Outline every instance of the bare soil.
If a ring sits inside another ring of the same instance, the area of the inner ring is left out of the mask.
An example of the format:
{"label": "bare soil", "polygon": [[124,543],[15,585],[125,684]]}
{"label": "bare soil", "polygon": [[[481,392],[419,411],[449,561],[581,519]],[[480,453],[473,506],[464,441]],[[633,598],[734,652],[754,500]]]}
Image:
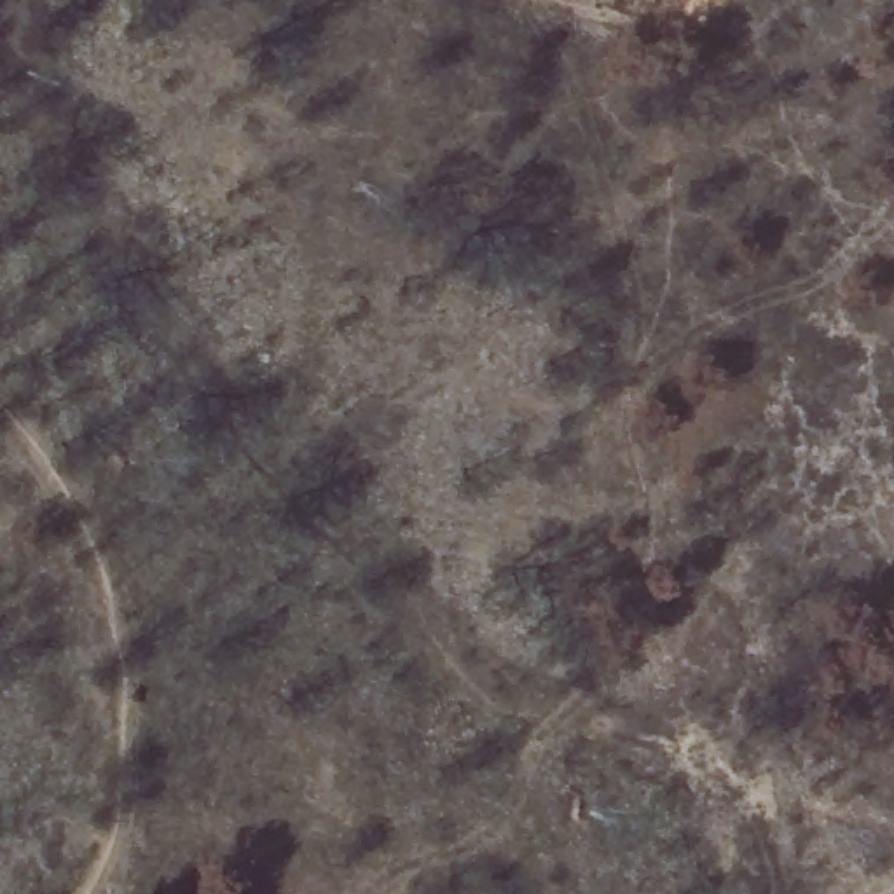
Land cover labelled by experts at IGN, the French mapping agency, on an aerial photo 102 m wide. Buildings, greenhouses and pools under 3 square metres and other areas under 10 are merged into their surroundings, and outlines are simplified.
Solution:
{"label": "bare soil", "polygon": [[[835,566],[842,576],[866,576],[880,559],[894,562],[894,0],[0,0],[0,10],[14,17],[14,31],[7,38],[10,45],[24,42],[35,52],[59,56],[59,70],[73,80],[73,87],[126,108],[108,129],[80,129],[70,133],[66,143],[45,143],[38,150],[31,150],[31,140],[24,133],[0,133],[0,457],[7,454],[10,426],[17,419],[28,419],[38,426],[56,468],[66,478],[91,485],[91,496],[84,503],[70,503],[63,496],[52,496],[42,482],[35,482],[31,471],[0,475],[0,894],[77,894],[108,835],[94,824],[94,810],[105,803],[105,765],[126,754],[119,747],[122,674],[136,688],[133,733],[161,740],[168,754],[164,796],[157,803],[143,803],[133,810],[133,824],[143,828],[147,845],[129,856],[122,887],[126,894],[894,894],[894,747],[866,751],[845,737],[852,733],[852,719],[870,719],[873,705],[887,695],[884,681],[891,677],[891,660],[870,643],[863,629],[849,629],[838,618],[838,611],[817,594],[814,573]],[[119,597],[126,632],[122,646],[108,639],[105,625],[105,601],[94,569],[105,559]]]}

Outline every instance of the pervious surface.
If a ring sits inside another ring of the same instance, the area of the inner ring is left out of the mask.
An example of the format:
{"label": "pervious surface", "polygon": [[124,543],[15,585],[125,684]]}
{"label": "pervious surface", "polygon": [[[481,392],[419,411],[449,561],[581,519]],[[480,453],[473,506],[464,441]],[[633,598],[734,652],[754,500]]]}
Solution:
{"label": "pervious surface", "polygon": [[157,803],[164,796],[168,754],[161,740],[133,733],[136,688],[122,674],[119,747],[126,754],[105,765],[105,803],[94,810],[94,824],[108,835],[77,894],[126,894],[122,887],[129,856],[147,845],[143,828],[133,824],[133,810],[143,803]]}
{"label": "pervious surface", "polygon": [[105,559],[94,569],[105,601],[105,625],[108,639],[122,646],[126,632],[119,597]]}
{"label": "pervious surface", "polygon": [[0,475],[31,471],[35,482],[42,482],[52,496],[63,496],[70,503],[84,503],[91,496],[91,485],[66,478],[56,468],[38,426],[28,419],[17,419],[10,426],[7,454],[0,457]]}

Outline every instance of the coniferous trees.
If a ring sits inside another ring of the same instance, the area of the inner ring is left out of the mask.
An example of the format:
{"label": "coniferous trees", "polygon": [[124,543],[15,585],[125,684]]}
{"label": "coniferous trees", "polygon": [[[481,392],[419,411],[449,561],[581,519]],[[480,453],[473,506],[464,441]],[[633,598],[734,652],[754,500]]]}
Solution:
{"label": "coniferous trees", "polygon": [[894,562],[880,559],[866,576],[842,576],[835,566],[814,573],[817,594],[838,611],[838,618],[849,629],[863,629],[870,643],[891,660],[891,677],[884,681],[887,695],[873,705],[870,719],[852,719],[852,733],[845,737],[866,751],[894,747]]}
{"label": "coniferous trees", "polygon": [[31,140],[31,150],[38,150],[45,143],[66,143],[70,133],[80,129],[108,129],[126,108],[73,87],[73,80],[59,70],[59,56],[35,52],[24,42],[10,45],[7,38],[14,31],[14,17],[0,10],[0,133],[24,133]]}

